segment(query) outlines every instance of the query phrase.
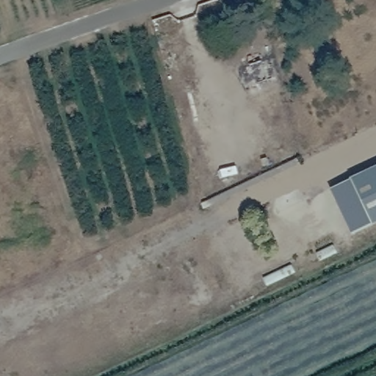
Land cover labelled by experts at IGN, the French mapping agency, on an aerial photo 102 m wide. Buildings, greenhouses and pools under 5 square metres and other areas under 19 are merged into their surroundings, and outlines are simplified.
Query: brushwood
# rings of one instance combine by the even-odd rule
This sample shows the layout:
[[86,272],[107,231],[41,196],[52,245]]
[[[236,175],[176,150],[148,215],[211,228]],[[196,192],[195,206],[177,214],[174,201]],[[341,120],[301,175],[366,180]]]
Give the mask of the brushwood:
[[335,115],[347,103],[348,98],[357,101],[360,94],[354,91],[354,85],[361,78],[354,75],[351,70],[345,72],[345,78],[339,79],[339,87],[345,94],[341,98],[326,97],[323,100],[313,100],[317,116]]
[[28,238],[34,247],[47,247],[53,238],[54,229],[43,226],[41,222],[43,210],[37,207],[40,201],[31,201],[28,204],[16,201],[10,220],[10,228],[15,232],[15,238],[0,239],[0,248],[7,250],[9,247],[16,247]]
[[12,178],[21,178],[22,170],[25,170],[28,179],[34,178],[37,162],[34,150],[10,150],[10,157],[16,163],[15,169],[10,172]]

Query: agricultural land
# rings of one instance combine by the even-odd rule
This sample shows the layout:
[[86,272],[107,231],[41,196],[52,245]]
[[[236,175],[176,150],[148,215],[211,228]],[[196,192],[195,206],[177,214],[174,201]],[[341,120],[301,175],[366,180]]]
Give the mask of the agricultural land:
[[84,21],[113,7],[137,0],[0,0],[0,46],[15,46],[35,35]]

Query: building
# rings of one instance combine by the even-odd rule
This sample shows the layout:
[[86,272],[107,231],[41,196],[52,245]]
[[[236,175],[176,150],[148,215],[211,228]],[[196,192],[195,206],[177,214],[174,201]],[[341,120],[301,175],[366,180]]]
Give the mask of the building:
[[330,191],[348,228],[354,235],[363,234],[376,223],[376,164],[354,173],[339,184],[330,185]]

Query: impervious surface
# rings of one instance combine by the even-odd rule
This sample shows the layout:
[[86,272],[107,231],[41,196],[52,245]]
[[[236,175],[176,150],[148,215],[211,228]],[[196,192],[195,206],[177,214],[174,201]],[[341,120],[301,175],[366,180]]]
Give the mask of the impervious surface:
[[0,65],[9,60],[15,63],[25,59],[28,62],[29,57],[37,56],[41,48],[48,44],[59,43],[98,26],[125,21],[142,13],[151,12],[151,19],[162,18],[169,15],[169,12],[178,16],[194,12],[197,3],[198,0],[137,0],[113,7],[84,21],[35,35],[15,46],[0,46]]

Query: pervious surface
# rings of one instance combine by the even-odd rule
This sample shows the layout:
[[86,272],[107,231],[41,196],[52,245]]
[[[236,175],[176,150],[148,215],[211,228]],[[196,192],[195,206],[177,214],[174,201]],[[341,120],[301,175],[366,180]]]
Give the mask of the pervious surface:
[[[117,269],[113,272],[103,270],[93,279],[88,278],[85,272],[70,272],[63,281],[59,276],[53,276],[47,286],[37,283],[22,291],[13,292],[12,298],[0,300],[0,345],[15,338],[19,330],[34,325],[35,317],[51,320],[56,316],[68,316],[73,308],[87,307],[106,300],[109,295],[120,291],[125,283],[129,282],[129,276],[140,263],[138,257],[145,256],[151,263],[157,264],[159,256],[169,253],[179,241],[200,235],[203,231],[206,231],[210,238],[211,250],[219,251],[222,256],[226,279],[238,286],[242,292],[253,286],[253,276],[256,273],[266,272],[278,264],[285,263],[292,254],[305,253],[305,250],[308,250],[308,242],[317,241],[329,234],[339,238],[348,228],[330,191],[330,185],[339,184],[354,173],[376,164],[376,126],[360,129],[354,137],[335,142],[325,151],[305,157],[304,163],[294,160],[283,164],[253,181],[245,182],[231,191],[211,198],[203,203],[203,207],[210,207],[213,213],[203,214],[182,231],[164,236],[159,244],[144,247],[142,244],[132,244],[129,241],[128,256],[120,258]],[[244,211],[247,209],[267,209],[269,229],[275,235],[276,241],[270,247],[270,251],[254,250],[242,231],[239,220],[244,219]]]
[[278,72],[282,69],[282,66],[276,54],[270,51],[264,56],[245,60],[239,66],[239,70],[226,60],[213,59],[207,53],[195,29],[198,18],[200,10],[209,4],[203,1],[201,4],[197,3],[194,12],[178,16],[176,19],[184,21],[185,38],[195,60],[195,84],[198,88],[188,93],[189,107],[201,141],[209,144],[204,156],[209,159],[209,169],[214,175],[219,175],[220,178],[234,176],[238,173],[236,169],[239,166],[247,164],[257,156],[257,138],[260,138],[261,131],[266,128],[258,115],[261,106],[269,103],[270,95],[281,91],[283,85],[279,84]]
[[192,304],[209,303],[209,288],[203,279],[195,279],[194,288],[197,294],[192,295]]

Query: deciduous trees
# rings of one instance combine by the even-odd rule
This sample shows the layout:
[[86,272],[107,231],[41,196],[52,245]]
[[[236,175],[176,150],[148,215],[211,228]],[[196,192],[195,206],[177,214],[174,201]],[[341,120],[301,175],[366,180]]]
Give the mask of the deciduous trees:
[[272,6],[272,0],[253,0],[253,3],[241,4],[236,9],[228,6],[220,15],[211,15],[206,19],[198,18],[195,29],[207,53],[213,59],[226,60],[234,57],[239,48],[250,47],[258,29],[264,28],[269,40],[282,37],[285,41],[283,59],[286,62],[282,66],[282,69],[291,68],[292,62],[300,56],[301,50],[313,48],[316,51],[328,43],[329,32],[341,28],[342,21],[367,12],[366,6],[358,4],[354,10],[338,13],[333,0],[291,0],[291,7],[283,13],[285,21],[275,23],[278,9]]
[[142,355],[101,376],[376,376],[376,245],[348,258],[344,263],[322,270],[313,278],[304,279],[297,285],[253,301],[247,307],[223,317],[219,322],[211,323],[206,328],[166,345],[162,350]]
[[345,72],[351,70],[347,57],[333,59],[332,54],[325,57],[320,68],[313,73],[313,78],[317,87],[326,91],[326,97],[341,98],[345,94],[339,87],[339,79],[345,78]]
[[244,219],[239,220],[242,231],[254,250],[270,251],[270,247],[276,241],[275,235],[269,229],[267,209],[247,209],[244,211]]
[[70,203],[85,235],[95,234],[95,225],[94,207],[88,203],[84,188],[90,188],[98,203],[107,201],[107,191],[112,191],[113,203],[122,222],[131,222],[134,217],[119,164],[123,160],[128,167],[129,179],[141,216],[151,214],[154,207],[167,206],[178,194],[187,194],[188,157],[182,148],[184,140],[175,107],[166,103],[166,93],[156,62],[159,38],[156,34],[150,34],[147,28],[140,32],[131,32],[128,28],[112,34],[104,32],[104,38],[100,43],[91,48],[84,44],[84,50],[73,53],[70,56],[72,75],[60,88],[62,101],[66,104],[72,101],[78,104],[78,109],[72,113],[59,113],[57,110],[53,84],[48,81],[43,57],[37,56],[38,62],[28,66],[32,87],[37,94],[41,112],[44,116],[50,117],[47,131],[50,132],[51,148],[59,159]]

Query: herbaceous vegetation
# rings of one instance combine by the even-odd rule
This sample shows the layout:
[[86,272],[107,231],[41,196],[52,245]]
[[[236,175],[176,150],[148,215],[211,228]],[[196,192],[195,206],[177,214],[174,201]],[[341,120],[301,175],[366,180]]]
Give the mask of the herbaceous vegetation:
[[198,0],[197,3],[201,4],[203,1],[209,4],[200,10],[198,18],[206,19],[211,15],[220,15],[228,6],[236,9],[241,4],[253,3],[253,0]]
[[239,48],[234,57],[226,60],[239,70],[239,66],[245,60],[264,56],[270,51],[276,54],[282,66],[286,62],[283,59],[285,41],[282,37],[269,40],[264,28],[258,29],[250,47]]
[[285,21],[283,13],[291,7],[291,0],[272,0],[272,6],[278,9],[275,23]]
[[[304,279],[313,278],[322,270],[344,263],[348,258],[376,245],[376,223],[363,234],[354,235],[348,228],[339,238],[329,234],[317,241],[308,242],[308,250],[305,250],[305,253],[292,254],[285,263],[278,264],[266,272],[256,273],[253,276],[253,286],[242,292],[238,286],[226,279],[222,256],[219,251],[211,250],[210,238],[206,231],[203,231],[200,235],[179,241],[169,253],[159,256],[157,264],[151,263],[145,256],[138,257],[140,263],[129,276],[129,282],[125,283],[120,291],[109,295],[106,300],[87,307],[73,308],[68,316],[56,316],[51,320],[35,317],[34,325],[19,330],[15,338],[0,345],[0,376],[101,376],[142,355],[162,350],[166,345],[206,328],[211,323],[219,322],[223,317],[247,307],[253,301],[297,285]],[[192,304],[192,295],[197,294],[194,288],[195,279],[203,279],[209,288],[209,303]]]
[[[210,207],[203,207],[203,203],[211,198],[231,191],[245,182],[253,181],[283,164],[294,160],[304,163],[305,157],[325,151],[335,142],[354,137],[360,129],[376,126],[376,0],[333,0],[338,13],[354,10],[358,4],[366,6],[367,12],[342,21],[341,28],[329,32],[328,43],[316,51],[313,48],[301,50],[300,56],[292,62],[291,68],[282,69],[278,72],[279,84],[283,85],[281,91],[270,95],[269,103],[261,106],[258,115],[266,128],[261,131],[260,138],[257,138],[257,156],[247,164],[239,166],[236,169],[238,173],[234,176],[220,178],[219,175],[214,175],[209,169],[209,159],[204,156],[209,144],[201,141],[189,107],[188,93],[198,88],[195,84],[195,60],[185,38],[184,21],[176,19],[178,16],[169,12],[169,15],[162,18],[151,19],[151,12],[142,13],[125,21],[98,26],[59,43],[48,44],[41,48],[37,56],[43,57],[48,81],[53,84],[57,110],[59,113],[72,113],[78,109],[78,104],[72,101],[66,104],[62,101],[60,88],[72,75],[70,56],[73,53],[84,50],[84,44],[91,48],[100,43],[104,38],[104,32],[112,34],[128,28],[131,32],[140,32],[147,28],[150,34],[156,34],[159,38],[156,62],[166,93],[166,103],[175,107],[184,140],[182,148],[188,157],[187,194],[178,194],[167,206],[154,207],[151,214],[141,216],[129,179],[128,167],[123,160],[119,164],[134,217],[131,222],[122,222],[113,203],[112,191],[107,191],[107,201],[98,203],[90,188],[84,188],[88,203],[94,207],[95,225],[95,234],[85,235],[70,203],[59,159],[51,148],[50,132],[47,131],[50,117],[44,116],[41,112],[37,94],[32,87],[28,66],[38,62],[37,56],[29,57],[28,62],[25,59],[15,63],[9,60],[0,65],[0,239],[15,238],[15,232],[10,228],[10,220],[16,201],[28,204],[31,201],[40,201],[37,207],[43,210],[41,222],[43,226],[54,229],[53,238],[47,247],[34,247],[28,238],[16,247],[9,247],[7,250],[0,248],[0,300],[12,298],[13,292],[22,291],[37,283],[47,286],[53,276],[59,276],[63,281],[70,272],[85,272],[88,278],[93,279],[103,270],[113,272],[117,269],[120,258],[128,256],[129,241],[132,244],[142,244],[144,247],[159,244],[164,236],[182,231],[203,214],[213,213]],[[354,75],[361,78],[354,85],[354,91],[360,94],[357,101],[348,98],[347,103],[335,115],[317,116],[313,100],[323,100],[326,97],[326,91],[317,87],[313,78],[313,73],[320,68],[325,57],[332,54],[333,59],[347,57],[351,70]],[[34,178],[28,179],[25,170],[22,170],[21,178],[12,178],[10,172],[15,169],[16,163],[10,157],[10,150],[34,150],[37,162]]]

